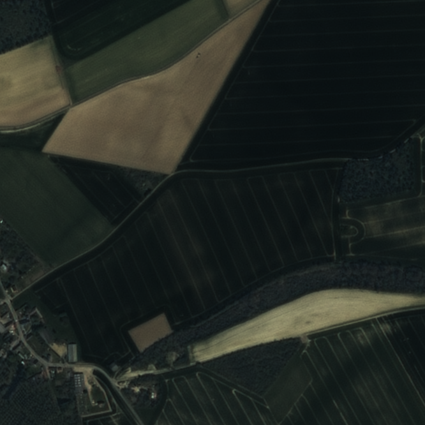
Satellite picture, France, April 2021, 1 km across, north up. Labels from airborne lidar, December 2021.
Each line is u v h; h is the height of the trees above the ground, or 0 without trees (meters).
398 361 0
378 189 13
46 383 25
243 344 0
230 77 0
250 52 0
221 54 0
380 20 0
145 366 15
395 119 0
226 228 0
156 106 0
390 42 0
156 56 0
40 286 0
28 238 0
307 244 0
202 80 0
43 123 0
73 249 0
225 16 0
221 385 0
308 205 0
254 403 0
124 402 0
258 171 0
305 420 0
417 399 0
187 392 0
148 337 0
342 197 11
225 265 0
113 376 0
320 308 0
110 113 0
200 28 0
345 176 12
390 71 0
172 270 0
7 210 0
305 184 0
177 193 0
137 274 0
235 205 0
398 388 0
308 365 0
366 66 0
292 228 0
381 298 0
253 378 7
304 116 0
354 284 14
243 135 0
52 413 33
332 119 0
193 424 0
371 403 0
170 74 0
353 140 0
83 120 0
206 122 0
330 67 0
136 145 0
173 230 0
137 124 0
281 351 10
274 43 0
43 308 0
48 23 11
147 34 0
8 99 0
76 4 0
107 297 0
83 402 0
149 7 0
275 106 0
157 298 0
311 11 0
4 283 6
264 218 0
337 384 0
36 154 0
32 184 0
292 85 0
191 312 0
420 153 0
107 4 0
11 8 13
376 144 0
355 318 0
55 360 0
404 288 18
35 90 0
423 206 0
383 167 13
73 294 0
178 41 0
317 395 0
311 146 0
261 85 0
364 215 0
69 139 0
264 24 0
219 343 0
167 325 0
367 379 0
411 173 10
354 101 0
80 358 0
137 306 0
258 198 0
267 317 0
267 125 0
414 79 0
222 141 0
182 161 0
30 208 0
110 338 0
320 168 0
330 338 0
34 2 12
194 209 0
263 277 0
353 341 0
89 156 0
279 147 0
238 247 0
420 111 0
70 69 0
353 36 0
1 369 33
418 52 0
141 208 0
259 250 0
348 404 0
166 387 0
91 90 0
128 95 0
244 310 7
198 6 0
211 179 0
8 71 0
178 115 0
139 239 0
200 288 0
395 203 0
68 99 0
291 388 0
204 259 0
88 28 0
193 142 0
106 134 0
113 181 0
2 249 13
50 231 0
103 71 0
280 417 0
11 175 0
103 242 0
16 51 0
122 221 0
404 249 0
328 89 0
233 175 0
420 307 0
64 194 0
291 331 0
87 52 0
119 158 0
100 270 0
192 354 0
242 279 0
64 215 0
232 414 0
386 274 19
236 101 0
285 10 0
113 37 0
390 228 0
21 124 0
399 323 0
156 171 0
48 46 0
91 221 0
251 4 0
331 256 0
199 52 0
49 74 0
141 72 0
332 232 0
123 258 0
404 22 0
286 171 0
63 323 14
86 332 0
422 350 0
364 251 0
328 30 0
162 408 0
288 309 0
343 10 0
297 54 0
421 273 21
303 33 0
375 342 0
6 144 0
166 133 0
